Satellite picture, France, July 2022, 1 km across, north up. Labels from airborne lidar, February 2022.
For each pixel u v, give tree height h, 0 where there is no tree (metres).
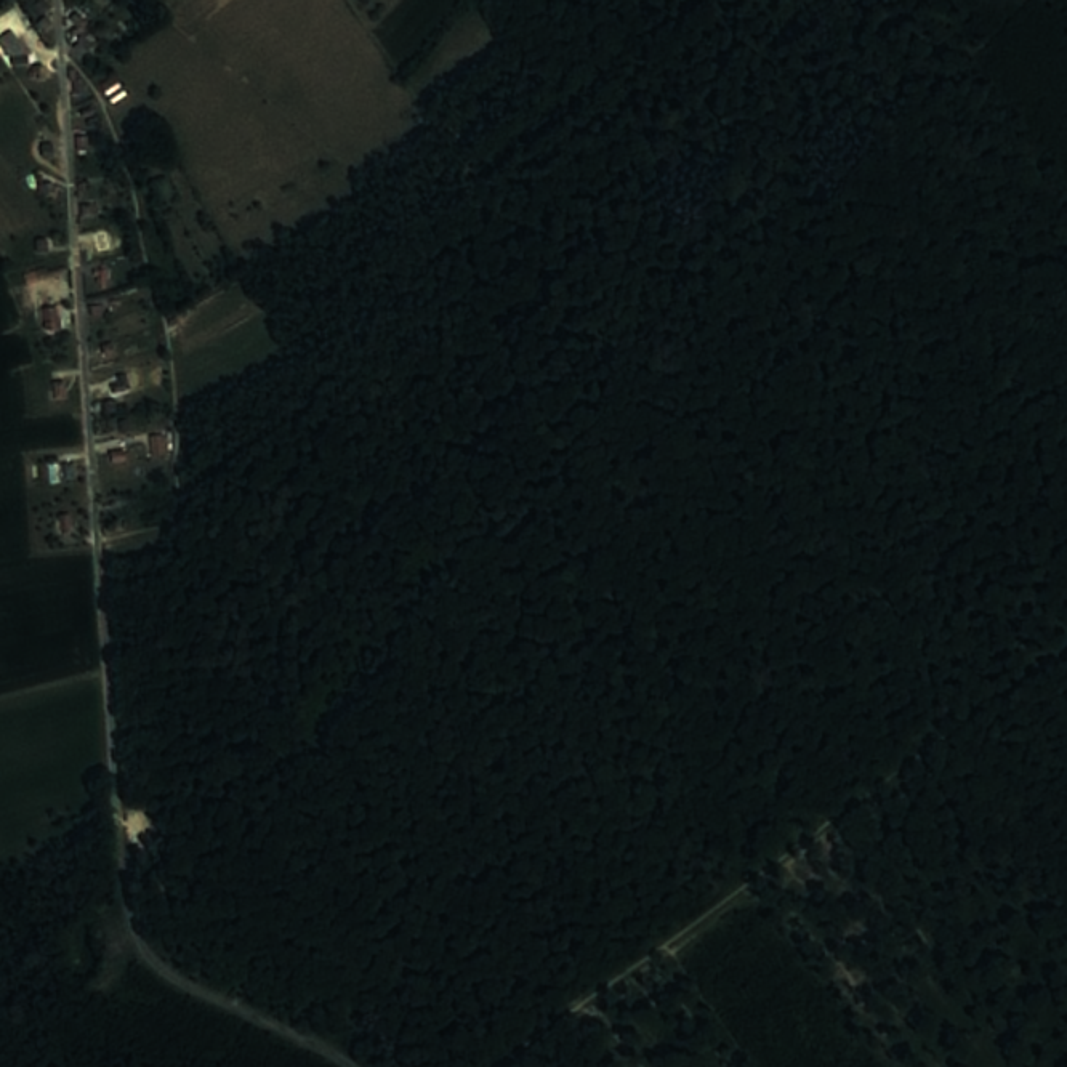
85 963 0
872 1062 6
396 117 0
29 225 0
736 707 28
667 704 24
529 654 25
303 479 31
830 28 24
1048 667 24
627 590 27
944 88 28
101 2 0
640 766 26
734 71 33
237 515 26
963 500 29
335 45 0
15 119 0
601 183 21
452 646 26
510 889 26
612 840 22
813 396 32
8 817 0
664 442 30
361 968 24
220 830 25
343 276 24
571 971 28
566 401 26
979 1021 25
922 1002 26
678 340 29
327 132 0
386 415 19
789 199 28
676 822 26
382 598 28
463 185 29
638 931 22
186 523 21
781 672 25
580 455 27
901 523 29
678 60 28
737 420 27
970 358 28
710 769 25
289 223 0
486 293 29
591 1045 27
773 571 29
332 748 25
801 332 29
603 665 27
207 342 0
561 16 24
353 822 25
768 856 30
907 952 27
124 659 25
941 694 27
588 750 21
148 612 22
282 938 20
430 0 0
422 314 29
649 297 29
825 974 27
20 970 23
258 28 0
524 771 27
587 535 30
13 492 0
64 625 0
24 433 0
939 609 26
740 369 24
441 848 26
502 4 22
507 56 22
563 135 25
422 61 9
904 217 25
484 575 23
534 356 30
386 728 25
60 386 0
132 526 0
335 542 28
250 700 28
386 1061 24
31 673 0
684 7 9
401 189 32
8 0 9
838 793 27
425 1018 26
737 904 0
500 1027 26
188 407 16
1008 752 25
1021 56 6
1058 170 23
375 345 30
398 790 26
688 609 30
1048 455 32
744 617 33
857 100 23
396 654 26
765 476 29
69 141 0
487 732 23
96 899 7
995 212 24
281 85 0
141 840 18
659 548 24
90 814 13
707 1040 24
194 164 0
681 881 22
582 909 21
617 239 32
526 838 27
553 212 28
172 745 26
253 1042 9
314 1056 6
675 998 25
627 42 27
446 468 28
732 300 30
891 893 26
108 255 0
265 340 0
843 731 27
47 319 0
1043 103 6
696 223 29
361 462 26
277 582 22
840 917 28
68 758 0
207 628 26
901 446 28
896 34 24
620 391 27
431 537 24
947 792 28
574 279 29
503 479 28
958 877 26
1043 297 29
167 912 20
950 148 29
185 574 22
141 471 0
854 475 30
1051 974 22
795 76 27
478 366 30
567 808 29
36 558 0
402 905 30
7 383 0
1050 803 26
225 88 0
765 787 27
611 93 27
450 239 31
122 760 21
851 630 26
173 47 0
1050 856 28
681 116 30
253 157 0
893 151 30
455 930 29
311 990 28
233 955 23
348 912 28
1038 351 27
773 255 31
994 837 28
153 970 0
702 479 30
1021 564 8
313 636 27
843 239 30
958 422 28
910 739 25
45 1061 21
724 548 27
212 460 16
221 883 23
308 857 25
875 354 29
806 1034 5
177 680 22
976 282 27
